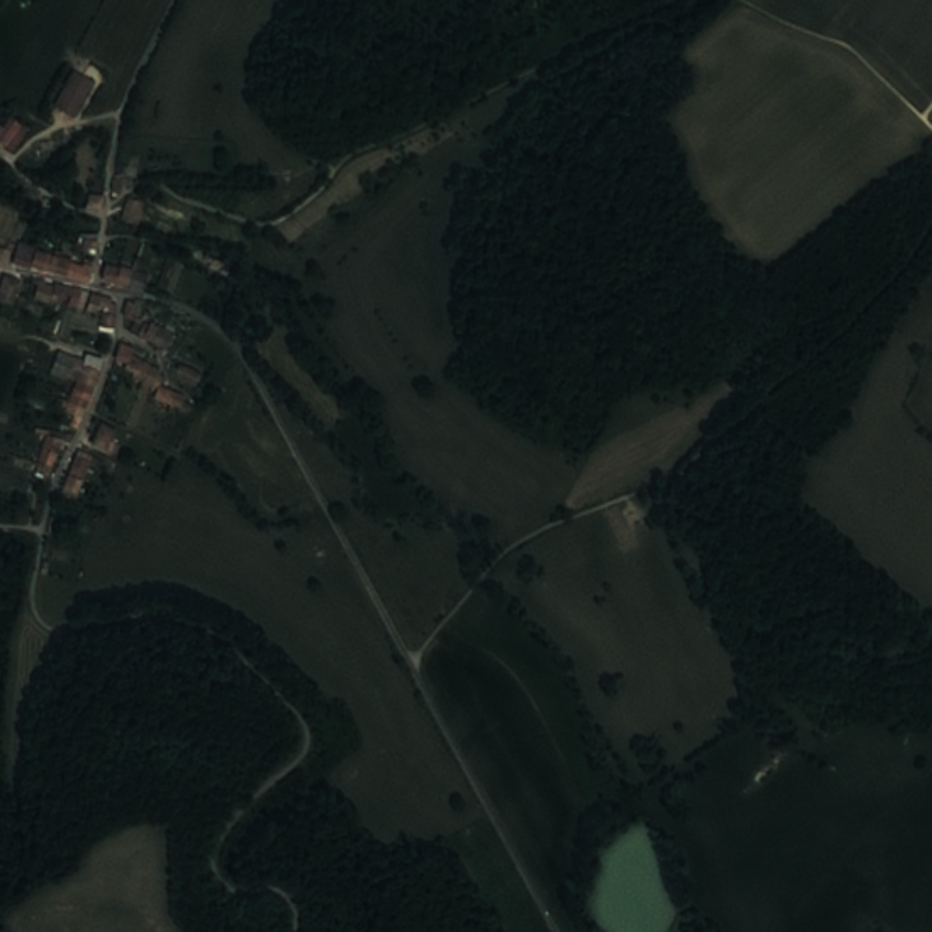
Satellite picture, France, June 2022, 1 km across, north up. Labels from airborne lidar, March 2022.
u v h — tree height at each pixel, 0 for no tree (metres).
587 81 23
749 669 19
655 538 0
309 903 7
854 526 0
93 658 24
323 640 0
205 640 19
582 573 0
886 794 0
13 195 13
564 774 0
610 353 20
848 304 19
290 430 0
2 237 0
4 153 0
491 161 22
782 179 0
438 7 0
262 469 0
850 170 0
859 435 0
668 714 0
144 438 0
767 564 18
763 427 26
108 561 0
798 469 16
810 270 14
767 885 0
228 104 0
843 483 0
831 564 19
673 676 0
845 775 0
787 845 0
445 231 0
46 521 0
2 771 7
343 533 0
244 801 18
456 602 0
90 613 22
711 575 22
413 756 0
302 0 22
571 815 0
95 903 0
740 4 0
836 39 0
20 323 0
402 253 0
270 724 18
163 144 0
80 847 11
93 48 0
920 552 0
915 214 20
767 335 15
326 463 0
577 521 0
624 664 0
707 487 25
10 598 19
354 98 8
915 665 14
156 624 22
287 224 0
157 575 0
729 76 0
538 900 0
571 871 0
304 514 0
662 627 0
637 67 22
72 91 0
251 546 0
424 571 0
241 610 0
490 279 22
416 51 9
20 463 0
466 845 0
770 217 0
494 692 0
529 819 0
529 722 0
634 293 24
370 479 0
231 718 17
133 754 13
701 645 0
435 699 0
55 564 0
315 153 8
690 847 0
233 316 21
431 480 0
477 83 17
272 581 0
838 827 0
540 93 16
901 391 0
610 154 21
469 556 28
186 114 0
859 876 0
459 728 0
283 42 8
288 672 29
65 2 0
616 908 0
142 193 12
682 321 19
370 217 0
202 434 0
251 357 17
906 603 19
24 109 0
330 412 0
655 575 0
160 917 0
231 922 15
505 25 0
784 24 0
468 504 0
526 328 21
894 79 0
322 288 0
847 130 0
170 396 0
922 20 0
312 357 22
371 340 0
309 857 12
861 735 0
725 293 17
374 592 0
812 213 0
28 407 9
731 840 0
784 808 0
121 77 0
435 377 0
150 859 0
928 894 0
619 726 0
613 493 0
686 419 0
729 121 0
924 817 0
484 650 0
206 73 0
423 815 0
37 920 0
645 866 0
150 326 0
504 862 0
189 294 0
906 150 0
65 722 22
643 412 0
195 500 0
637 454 0
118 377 0
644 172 20
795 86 0
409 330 0
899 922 0
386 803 0
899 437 0
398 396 0
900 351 0
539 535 0
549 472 0
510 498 0
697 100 0
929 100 0
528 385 21
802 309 17
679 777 13
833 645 13
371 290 0
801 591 20
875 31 0
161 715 10
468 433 0
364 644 0
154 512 0
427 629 0
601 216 20
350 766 0
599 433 8
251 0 0
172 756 17
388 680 0
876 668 13
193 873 14
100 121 0
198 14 0
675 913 0
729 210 0
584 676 0
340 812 29
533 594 0
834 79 0
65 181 21
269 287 25
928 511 0
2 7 11
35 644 0
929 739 0
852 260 12
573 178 22
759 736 6
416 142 0
